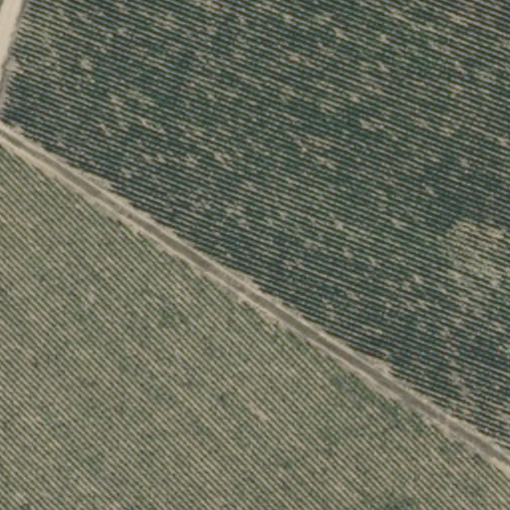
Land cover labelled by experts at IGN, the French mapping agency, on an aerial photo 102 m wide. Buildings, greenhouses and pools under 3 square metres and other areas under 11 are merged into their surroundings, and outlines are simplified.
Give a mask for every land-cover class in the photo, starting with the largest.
<instances>
[{"label":"vineyard","instance_id":"1","mask_svg":"<svg viewBox=\"0 0 510 510\"><path fill-rule=\"evenodd\" d=\"M20 14L16 18V32L10 46V56L4 60L0 58V510H510V0H18Z\"/></svg>","mask_w":510,"mask_h":510},{"label":"pervious surface","instance_id":"2","mask_svg":"<svg viewBox=\"0 0 510 510\"><path fill-rule=\"evenodd\" d=\"M20 14L18 0H0V58L4 60L10 56V46L16 32V18Z\"/></svg>","mask_w":510,"mask_h":510}]
</instances>
